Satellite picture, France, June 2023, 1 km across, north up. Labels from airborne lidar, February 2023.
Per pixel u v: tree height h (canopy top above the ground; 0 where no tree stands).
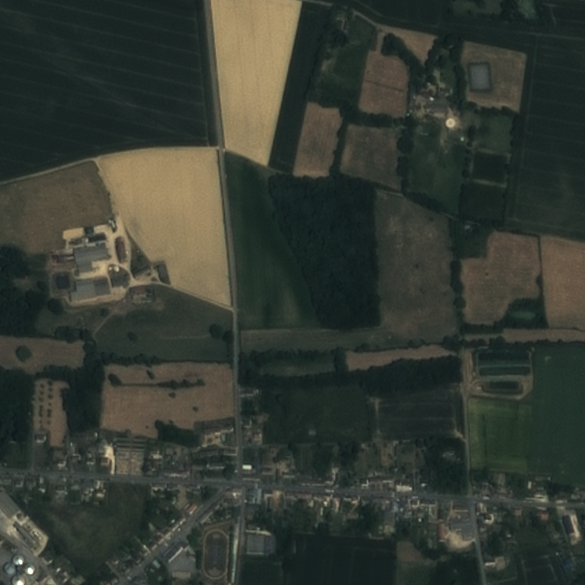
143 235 0
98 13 0
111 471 0
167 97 0
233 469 11
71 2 0
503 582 0
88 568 0
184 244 0
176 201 0
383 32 0
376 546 0
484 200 0
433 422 0
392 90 0
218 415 0
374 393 20
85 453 9
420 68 15
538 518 7
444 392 0
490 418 0
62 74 0
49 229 0
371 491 0
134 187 0
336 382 19
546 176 0
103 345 0
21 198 0
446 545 0
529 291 0
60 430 0
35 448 0
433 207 22
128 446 0
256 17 0
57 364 0
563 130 0
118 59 0
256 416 9
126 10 0
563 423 0
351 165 0
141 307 0
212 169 0
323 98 9
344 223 27
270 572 0
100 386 7
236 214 0
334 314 10
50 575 0
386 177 0
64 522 0
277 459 9
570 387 0
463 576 0
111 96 0
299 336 0
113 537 0
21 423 28
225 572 0
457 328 0
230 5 0
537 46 0
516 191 0
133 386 0
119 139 0
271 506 0
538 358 0
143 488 0
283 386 12
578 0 0
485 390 0
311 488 0
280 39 0
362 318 13
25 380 20
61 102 0
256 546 0
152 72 0
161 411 0
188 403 0
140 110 0
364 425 0
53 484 0
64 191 0
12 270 25
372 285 21
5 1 0
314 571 0
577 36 0
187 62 0
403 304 0
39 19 0
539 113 0
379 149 0
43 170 0
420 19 0
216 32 0
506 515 6
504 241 0
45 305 22
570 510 0
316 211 21
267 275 0
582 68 0
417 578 0
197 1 0
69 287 0
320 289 14
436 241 0
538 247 0
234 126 0
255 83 0
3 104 0
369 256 14
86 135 0
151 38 0
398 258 0
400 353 0
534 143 0
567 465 0
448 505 0
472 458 0
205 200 0
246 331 0
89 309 0
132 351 0
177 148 0
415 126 18
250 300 0
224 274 0
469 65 0
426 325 0
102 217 0
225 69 0
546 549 0
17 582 0
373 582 0
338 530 0
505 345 9
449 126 0
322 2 0
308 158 0
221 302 0
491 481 7
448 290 0
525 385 0
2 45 0
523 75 0
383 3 0
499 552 6
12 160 0
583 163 0
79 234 0
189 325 0
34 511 0
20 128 0
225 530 0
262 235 0
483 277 0
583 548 0
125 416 0
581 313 0
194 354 0
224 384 0
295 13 0
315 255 22
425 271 0
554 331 0
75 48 0
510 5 9
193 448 7
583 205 0
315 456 6
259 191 0
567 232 0
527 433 0
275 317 0
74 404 27
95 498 0
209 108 0
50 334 0
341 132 10
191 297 0
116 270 0
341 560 0
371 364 0
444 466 10
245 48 0
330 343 0
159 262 0
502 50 0
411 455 0
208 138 0
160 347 0
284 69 0
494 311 0
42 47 0
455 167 0
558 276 0
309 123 0
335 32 9
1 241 0
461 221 8
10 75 0
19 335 18
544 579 0
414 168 0
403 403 0
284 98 0
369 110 0
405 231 0
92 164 0
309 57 0
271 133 0
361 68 0
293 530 9
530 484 0
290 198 23
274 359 20
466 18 0
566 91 0
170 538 0
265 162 0
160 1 0
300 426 0
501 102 0
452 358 13
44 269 0
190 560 0
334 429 0
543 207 0
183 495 0
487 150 0
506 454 0
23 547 0
